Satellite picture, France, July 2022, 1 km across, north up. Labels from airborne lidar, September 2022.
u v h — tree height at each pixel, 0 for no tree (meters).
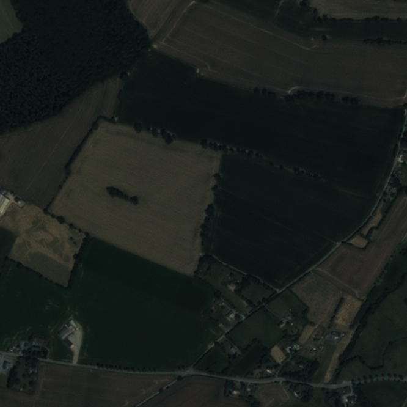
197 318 0
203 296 0
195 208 0
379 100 0
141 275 0
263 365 11
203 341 0
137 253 0
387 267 7
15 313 0
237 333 0
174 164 0
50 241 0
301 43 0
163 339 0
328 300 0
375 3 0
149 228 0
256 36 0
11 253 0
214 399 0
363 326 10
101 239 0
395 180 10
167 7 0
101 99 0
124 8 21
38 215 0
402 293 0
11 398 0
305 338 0
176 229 0
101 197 0
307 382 7
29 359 16
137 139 0
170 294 0
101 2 21
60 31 23
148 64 0
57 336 0
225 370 12
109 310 0
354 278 0
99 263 0
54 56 22
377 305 11
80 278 0
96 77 21
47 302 0
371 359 0
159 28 0
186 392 0
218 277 0
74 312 0
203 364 0
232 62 0
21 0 10
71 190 0
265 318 0
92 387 0
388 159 0
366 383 9
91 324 0
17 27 0
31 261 0
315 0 0
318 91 0
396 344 0
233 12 0
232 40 0
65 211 0
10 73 22
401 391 0
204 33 0
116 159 0
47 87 22
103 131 0
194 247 0
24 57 21
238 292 14
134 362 0
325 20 16
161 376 0
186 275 0
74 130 0
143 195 0
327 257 0
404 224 0
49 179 0
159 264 0
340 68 0
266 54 0
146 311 0
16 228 0
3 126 23
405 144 13
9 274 0
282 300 0
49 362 0
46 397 0
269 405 0
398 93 0
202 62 0
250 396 6
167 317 0
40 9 21
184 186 0
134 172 0
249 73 0
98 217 0
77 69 20
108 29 20
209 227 14
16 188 0
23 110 20
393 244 0
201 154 0
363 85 0
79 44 22
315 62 0
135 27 22
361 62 0
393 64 0
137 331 0
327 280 0
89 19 22
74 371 0
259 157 12
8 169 0
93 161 0
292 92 0
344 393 9
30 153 0
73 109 0
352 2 0
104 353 0
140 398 0
